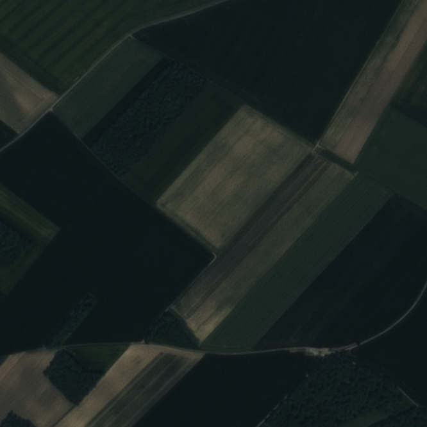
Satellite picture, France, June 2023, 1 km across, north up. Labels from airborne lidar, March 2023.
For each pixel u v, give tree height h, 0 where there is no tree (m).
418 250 0
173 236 0
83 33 0
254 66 0
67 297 0
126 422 0
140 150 16
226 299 0
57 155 0
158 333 11
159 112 15
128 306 0
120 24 0
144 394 0
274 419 15
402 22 0
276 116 0
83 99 0
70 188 0
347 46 0
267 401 0
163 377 0
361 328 0
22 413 0
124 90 0
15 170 0
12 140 0
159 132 13
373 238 0
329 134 0
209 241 0
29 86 0
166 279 0
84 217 0
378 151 0
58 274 0
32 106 0
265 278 0
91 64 0
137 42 0
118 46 0
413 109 0
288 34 0
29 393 0
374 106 0
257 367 0
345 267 0
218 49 0
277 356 0
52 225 0
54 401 0
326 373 8
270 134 0
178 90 17
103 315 0
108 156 8
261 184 0
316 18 0
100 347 0
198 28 0
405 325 0
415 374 0
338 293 0
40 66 0
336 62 0
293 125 0
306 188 0
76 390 21
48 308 0
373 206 0
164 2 0
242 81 0
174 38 0
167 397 0
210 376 0
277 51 0
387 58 0
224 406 0
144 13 0
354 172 0
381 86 0
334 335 0
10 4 0
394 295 0
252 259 0
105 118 0
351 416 17
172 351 0
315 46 0
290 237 0
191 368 0
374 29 0
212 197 0
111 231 0
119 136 20
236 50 0
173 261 0
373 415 0
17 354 0
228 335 0
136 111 13
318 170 0
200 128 0
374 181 0
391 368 0
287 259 0
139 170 0
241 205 0
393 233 0
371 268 0
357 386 18
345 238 0
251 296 0
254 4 0
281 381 0
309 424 13
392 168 0
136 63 0
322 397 17
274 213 0
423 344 0
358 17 0
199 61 0
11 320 0
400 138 0
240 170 0
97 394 0
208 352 0
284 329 0
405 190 0
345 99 0
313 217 0
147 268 0
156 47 0
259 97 0
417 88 0
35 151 0
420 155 0
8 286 0
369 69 0
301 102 0
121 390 0
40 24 0
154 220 0
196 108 0
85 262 0
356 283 0
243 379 0
